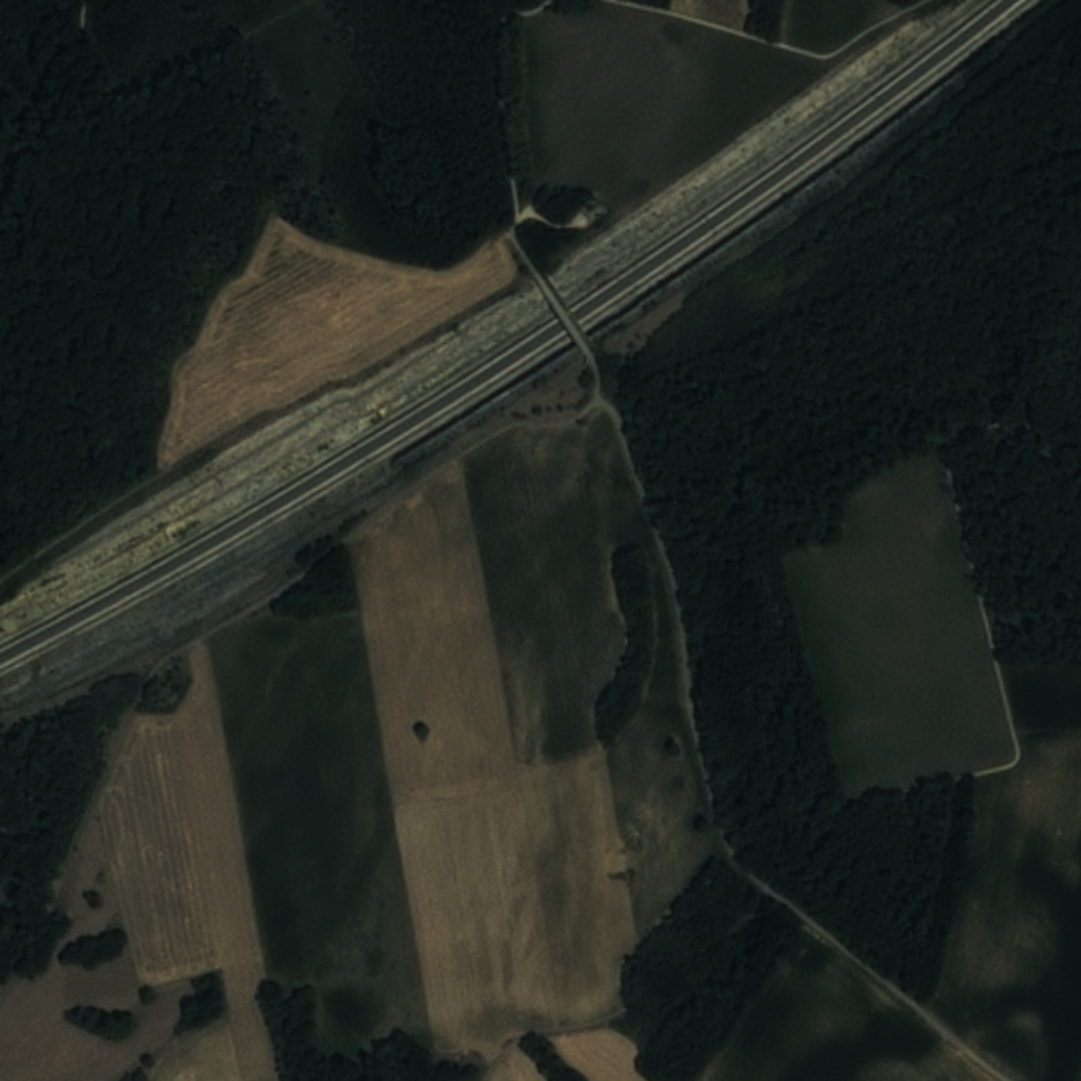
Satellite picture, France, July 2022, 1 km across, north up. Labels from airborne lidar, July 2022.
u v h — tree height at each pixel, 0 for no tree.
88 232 29
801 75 0
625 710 19
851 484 16
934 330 24
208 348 0
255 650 0
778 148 0
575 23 0
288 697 0
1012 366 9
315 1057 18
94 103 22
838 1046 0
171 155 27
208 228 18
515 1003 0
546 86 0
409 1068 23
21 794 17
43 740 14
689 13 0
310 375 0
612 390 7
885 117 0
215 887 0
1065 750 0
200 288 18
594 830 0
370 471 0
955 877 11
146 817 0
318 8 0
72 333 28
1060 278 27
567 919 0
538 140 0
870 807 23
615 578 11
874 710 0
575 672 0
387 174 24
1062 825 0
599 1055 0
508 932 0
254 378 0
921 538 0
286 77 0
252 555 0
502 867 0
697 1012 21
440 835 0
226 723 0
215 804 0
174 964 0
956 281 24
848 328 22
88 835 0
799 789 24
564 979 0
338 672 0
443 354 0
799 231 10
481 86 16
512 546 0
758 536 25
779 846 24
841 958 0
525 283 0
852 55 0
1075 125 30
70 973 0
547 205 10
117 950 10
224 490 0
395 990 0
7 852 24
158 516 0
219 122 21
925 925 22
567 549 0
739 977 22
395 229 6
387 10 11
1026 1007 0
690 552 26
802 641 16
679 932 15
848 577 0
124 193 29
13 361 26
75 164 21
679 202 0
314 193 14
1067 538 23
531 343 0
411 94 16
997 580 23
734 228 0
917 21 0
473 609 0
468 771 0
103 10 7
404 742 0
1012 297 30
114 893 0
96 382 26
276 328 0
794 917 20
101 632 0
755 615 27
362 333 0
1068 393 23
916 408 7
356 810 0
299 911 0
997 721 0
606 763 0
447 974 0
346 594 9
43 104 27
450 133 17
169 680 7
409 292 0
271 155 18
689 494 28
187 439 0
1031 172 27
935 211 19
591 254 0
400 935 0
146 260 27
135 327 22
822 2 0
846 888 27
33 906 18
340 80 0
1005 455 27
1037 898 0
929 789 21
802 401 26
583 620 0
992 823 0
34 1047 0
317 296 0
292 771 0
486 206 14
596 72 0
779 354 27
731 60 0
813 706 21
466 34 16
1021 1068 0
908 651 0
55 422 24
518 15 11
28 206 27
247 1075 0
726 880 21
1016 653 22
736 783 21
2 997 0
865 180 10
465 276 0
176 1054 0
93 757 10
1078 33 19
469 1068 9
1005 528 28
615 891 0
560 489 0
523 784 0
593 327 0
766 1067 0
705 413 24
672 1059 19
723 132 0
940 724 0
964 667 0
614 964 0
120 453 21
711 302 9
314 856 0
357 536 0
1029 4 0
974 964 0
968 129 24
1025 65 15
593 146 0
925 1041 0
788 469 6
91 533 0
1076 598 21
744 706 29
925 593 0
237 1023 0
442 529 0
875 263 20
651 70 0
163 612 0
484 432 0
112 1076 0
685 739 0
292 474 0
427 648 0
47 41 27
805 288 8
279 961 0
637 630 15
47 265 25
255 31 0
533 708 0
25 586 0
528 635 0
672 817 0
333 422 0
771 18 16
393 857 0
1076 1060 0
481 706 0
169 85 22
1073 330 20
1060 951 0
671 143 0
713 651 23
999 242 22
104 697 10
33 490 26
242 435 0
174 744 0
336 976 0
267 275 0
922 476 0
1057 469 24
